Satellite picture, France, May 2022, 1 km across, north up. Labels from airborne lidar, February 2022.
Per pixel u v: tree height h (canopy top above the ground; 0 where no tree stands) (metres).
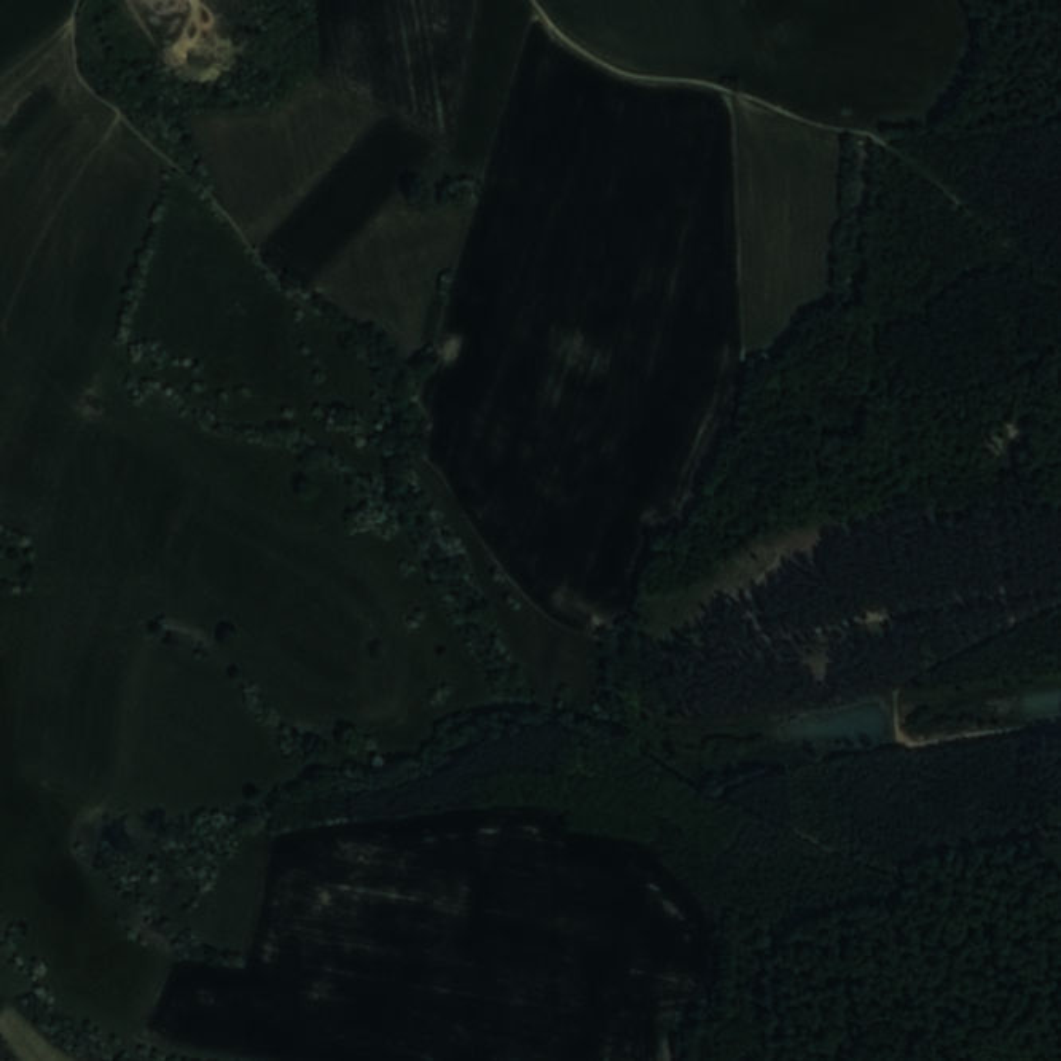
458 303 0
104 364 0
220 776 0
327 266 0
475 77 0
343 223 0
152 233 7
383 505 7
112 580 0
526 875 0
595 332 0
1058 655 12
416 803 19
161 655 0
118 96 5
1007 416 24
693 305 0
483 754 24
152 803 0
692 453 0
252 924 0
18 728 0
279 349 0
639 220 0
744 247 0
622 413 0
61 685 0
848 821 8
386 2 0
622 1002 0
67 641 0
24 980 0
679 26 0
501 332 0
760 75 0
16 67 0
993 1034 29
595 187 0
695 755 0
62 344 0
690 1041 18
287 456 0
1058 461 25
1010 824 10
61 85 0
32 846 0
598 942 0
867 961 31
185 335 0
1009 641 12
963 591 16
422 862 0
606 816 18
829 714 0
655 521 0
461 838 0
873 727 0
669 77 0
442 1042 0
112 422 0
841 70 0
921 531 24
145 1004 0
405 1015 0
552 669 0
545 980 0
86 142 0
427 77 0
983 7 22
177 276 0
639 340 0
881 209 16
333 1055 0
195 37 0
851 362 22
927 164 13
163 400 0
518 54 0
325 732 0
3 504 0
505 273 0
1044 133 18
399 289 0
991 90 23
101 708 0
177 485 0
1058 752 24
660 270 0
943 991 29
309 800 8
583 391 0
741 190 0
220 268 0
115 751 0
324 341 0
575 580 0
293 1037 0
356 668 0
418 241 0
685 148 0
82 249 0
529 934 0
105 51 9
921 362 14
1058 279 16
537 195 0
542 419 0
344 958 0
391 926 0
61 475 0
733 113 0
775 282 0
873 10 0
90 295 0
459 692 0
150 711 0
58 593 0
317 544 0
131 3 0
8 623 0
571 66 0
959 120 22
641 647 24
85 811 0
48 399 0
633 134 0
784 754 0
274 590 0
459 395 0
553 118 0
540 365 0
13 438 0
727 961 23
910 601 20
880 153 14
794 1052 32
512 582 0
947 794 13
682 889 0
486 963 0
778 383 23
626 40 0
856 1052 29
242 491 0
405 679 0
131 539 0
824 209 0
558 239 0
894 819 11
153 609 0
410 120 0
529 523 0
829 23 0
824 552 22
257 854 0
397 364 16
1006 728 0
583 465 0
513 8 0
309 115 0
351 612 0
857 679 30
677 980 0
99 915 0
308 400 0
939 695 0
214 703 0
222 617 0
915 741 0
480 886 0
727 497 23
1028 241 15
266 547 0
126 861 6
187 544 0
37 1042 0
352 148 0
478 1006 0
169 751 0
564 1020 0
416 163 0
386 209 0
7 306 0
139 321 0
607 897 0
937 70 0
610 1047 0
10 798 0
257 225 0
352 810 17
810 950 32
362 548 0
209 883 8
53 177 0
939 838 12
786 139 0
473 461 0
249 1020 0
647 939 0
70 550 0
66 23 0
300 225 0
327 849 0
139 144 0
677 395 0
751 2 0
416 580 0
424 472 0
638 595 13
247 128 0
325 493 0
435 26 0
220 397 7
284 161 0
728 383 0
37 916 0
